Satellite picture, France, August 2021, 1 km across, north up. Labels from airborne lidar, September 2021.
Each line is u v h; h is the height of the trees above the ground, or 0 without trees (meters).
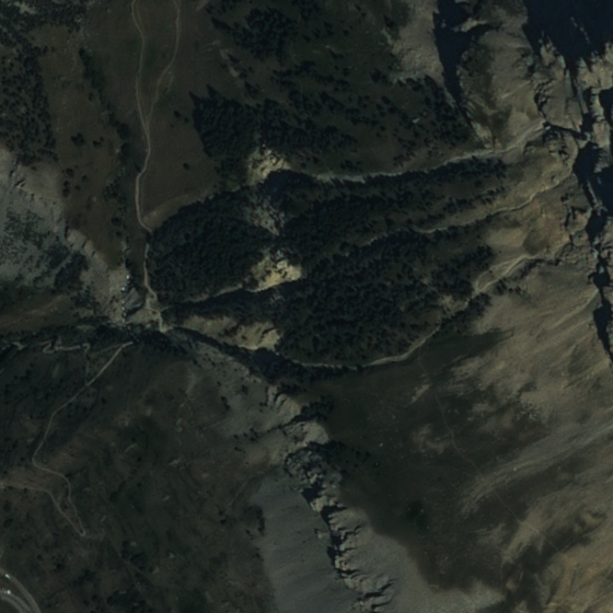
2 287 0
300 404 0
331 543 0
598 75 0
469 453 0
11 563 0
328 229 26
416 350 0
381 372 0
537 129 0
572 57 0
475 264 10
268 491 0
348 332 23
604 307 0
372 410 0
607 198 0
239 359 6
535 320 0
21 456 0
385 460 0
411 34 0
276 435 0
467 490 0
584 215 0
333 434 0
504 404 0
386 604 0
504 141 0
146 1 0
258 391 0
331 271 23
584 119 0
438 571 0
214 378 0
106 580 0
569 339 0
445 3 0
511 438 0
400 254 17
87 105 0
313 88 0
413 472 0
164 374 0
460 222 0
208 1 0
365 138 0
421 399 0
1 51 0
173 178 0
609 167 0
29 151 10
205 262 22
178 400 0
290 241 11
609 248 0
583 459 0
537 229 0
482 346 0
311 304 7
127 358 8
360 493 0
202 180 0
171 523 0
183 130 0
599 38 0
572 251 0
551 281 0
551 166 0
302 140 15
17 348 9
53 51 8
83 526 0
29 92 10
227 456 0
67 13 7
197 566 0
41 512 0
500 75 0
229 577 0
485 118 0
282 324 12
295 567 0
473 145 0
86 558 0
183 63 0
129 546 8
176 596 0
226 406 6
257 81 0
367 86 0
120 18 0
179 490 0
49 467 0
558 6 0
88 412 6
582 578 0
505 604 0
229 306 13
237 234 15
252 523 0
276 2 17
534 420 0
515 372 0
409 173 0
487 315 0
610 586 0
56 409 0
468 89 0
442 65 0
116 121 8
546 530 0
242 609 0
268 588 0
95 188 0
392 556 0
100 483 0
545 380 0
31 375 10
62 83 0
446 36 0
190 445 0
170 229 15
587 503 0
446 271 9
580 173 0
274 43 14
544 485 0
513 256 0
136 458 0
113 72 0
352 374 10
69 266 9
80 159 0
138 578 8
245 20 0
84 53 17
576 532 0
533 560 0
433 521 0
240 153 21
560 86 0
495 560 0
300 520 0
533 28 0
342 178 0
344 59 9
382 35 0
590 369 0
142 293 22
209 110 28
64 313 0
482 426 0
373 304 12
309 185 14
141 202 0
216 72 0
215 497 0
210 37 0
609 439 0
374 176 0
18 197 0
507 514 0
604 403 0
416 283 9
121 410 0
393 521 0
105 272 0
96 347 10
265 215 0
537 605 0
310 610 0
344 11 0
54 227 0
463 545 0
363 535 0
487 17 0
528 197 0
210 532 0
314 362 0
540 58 0
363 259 14
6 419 0
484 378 0
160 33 0
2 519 0
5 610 0
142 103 0
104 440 0
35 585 0
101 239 0
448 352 0
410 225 8
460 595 0
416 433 0
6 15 7
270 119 13
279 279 0
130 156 10
